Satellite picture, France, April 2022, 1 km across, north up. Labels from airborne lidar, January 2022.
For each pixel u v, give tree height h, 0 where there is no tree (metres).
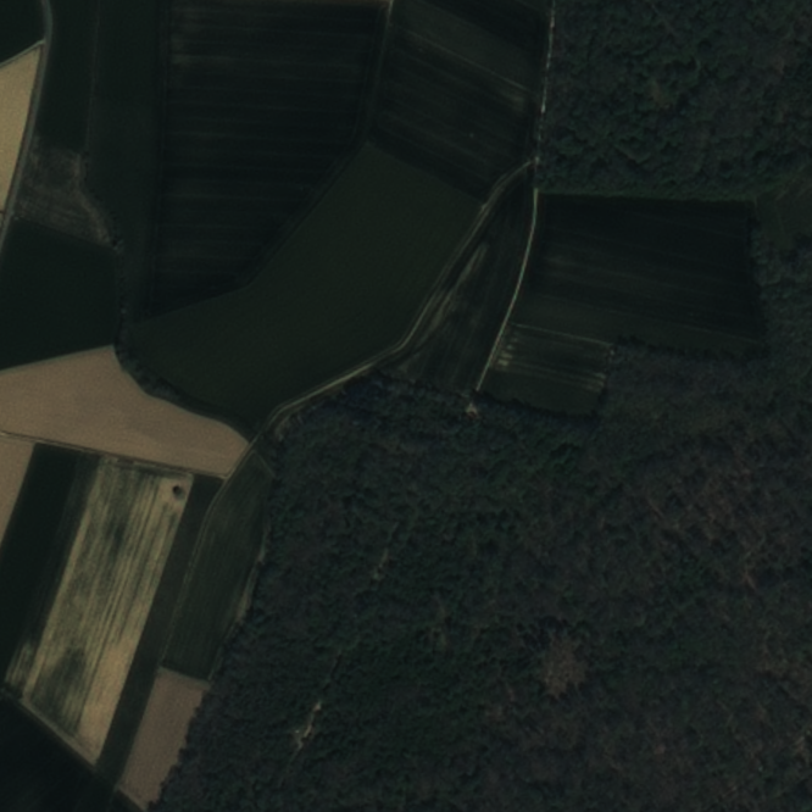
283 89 0
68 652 0
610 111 30
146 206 0
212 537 0
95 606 0
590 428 26
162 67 0
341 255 0
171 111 0
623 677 26
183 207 0
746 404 13
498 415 14
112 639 0
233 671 11
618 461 26
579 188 18
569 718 30
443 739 11
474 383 0
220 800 10
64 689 0
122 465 0
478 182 0
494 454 25
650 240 0
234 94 0
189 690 0
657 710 30
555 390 0
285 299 0
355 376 0
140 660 0
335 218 0
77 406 0
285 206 0
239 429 0
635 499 19
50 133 0
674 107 0
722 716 29
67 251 0
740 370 26
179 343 0
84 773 0
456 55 0
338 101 0
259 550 0
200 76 0
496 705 18
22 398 0
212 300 0
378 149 0
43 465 0
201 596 0
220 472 0
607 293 0
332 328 0
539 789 32
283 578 14
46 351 0
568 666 0
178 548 0
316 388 0
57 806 0
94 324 0
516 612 26
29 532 0
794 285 27
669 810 10
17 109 0
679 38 26
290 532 22
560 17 9
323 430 27
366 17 0
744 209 0
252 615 11
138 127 0
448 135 0
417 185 0
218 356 0
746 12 29
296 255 0
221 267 0
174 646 0
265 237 0
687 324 0
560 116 17
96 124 0
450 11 0
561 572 32
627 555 28
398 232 0
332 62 0
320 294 0
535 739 32
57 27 0
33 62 0
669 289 0
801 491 32
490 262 0
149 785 0
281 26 0
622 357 20
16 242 0
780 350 26
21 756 0
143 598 0
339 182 0
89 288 0
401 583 18
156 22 0
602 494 12
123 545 0
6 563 0
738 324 0
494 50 0
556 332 0
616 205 0
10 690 0
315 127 0
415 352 0
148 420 0
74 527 0
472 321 0
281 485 18
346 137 0
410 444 29
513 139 0
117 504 0
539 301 0
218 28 0
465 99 0
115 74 0
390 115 0
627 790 31
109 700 0
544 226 0
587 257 0
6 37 0
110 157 0
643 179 23
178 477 0
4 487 0
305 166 0
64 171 0
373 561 12
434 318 0
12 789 0
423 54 0
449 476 25
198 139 0
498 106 0
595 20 24
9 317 0
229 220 0
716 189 21
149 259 0
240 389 0
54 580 0
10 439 0
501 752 33
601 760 31
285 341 0
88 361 0
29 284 0
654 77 19
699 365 23
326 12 0
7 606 0
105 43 0
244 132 0
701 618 27
